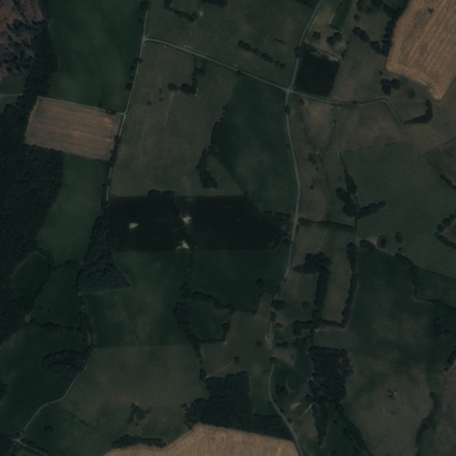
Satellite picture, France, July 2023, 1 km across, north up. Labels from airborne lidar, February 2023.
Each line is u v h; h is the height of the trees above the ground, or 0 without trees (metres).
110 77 0
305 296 0
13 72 33
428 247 0
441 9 0
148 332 0
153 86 0
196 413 14
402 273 0
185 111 0
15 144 23
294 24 0
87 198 0
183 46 0
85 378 0
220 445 0
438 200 0
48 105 0
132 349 0
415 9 0
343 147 0
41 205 18
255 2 0
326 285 18
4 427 0
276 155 0
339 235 0
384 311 0
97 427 0
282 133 0
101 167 0
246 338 0
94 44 0
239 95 0
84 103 0
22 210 20
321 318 15
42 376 0
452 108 0
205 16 0
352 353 0
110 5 0
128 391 0
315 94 0
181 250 0
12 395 0
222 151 0
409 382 0
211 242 0
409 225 0
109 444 0
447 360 0
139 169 0
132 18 0
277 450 0
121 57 0
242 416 13
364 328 0
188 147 0
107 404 0
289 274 0
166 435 0
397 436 0
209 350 0
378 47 19
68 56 0
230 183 0
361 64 0
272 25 0
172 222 0
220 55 0
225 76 0
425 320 0
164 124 0
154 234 0
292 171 0
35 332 0
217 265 0
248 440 0
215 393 7
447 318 0
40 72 18
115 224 0
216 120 0
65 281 0
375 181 0
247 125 0
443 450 0
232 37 0
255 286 0
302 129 0
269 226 0
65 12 0
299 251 0
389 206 0
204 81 0
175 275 0
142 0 0
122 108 0
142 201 0
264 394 0
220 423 6
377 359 0
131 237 0
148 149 0
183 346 0
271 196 0
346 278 0
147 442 14
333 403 18
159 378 0
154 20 0
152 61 0
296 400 0
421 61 0
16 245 16
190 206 0
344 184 0
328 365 19
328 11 0
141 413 8
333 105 0
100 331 0
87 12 0
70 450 0
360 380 0
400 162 0
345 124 0
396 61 0
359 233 0
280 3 0
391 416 0
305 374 0
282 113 0
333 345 0
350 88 0
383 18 0
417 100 0
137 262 0
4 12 34
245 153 0
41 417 0
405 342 0
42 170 13
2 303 16
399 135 0
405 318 0
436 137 0
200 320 0
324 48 0
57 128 0
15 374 0
